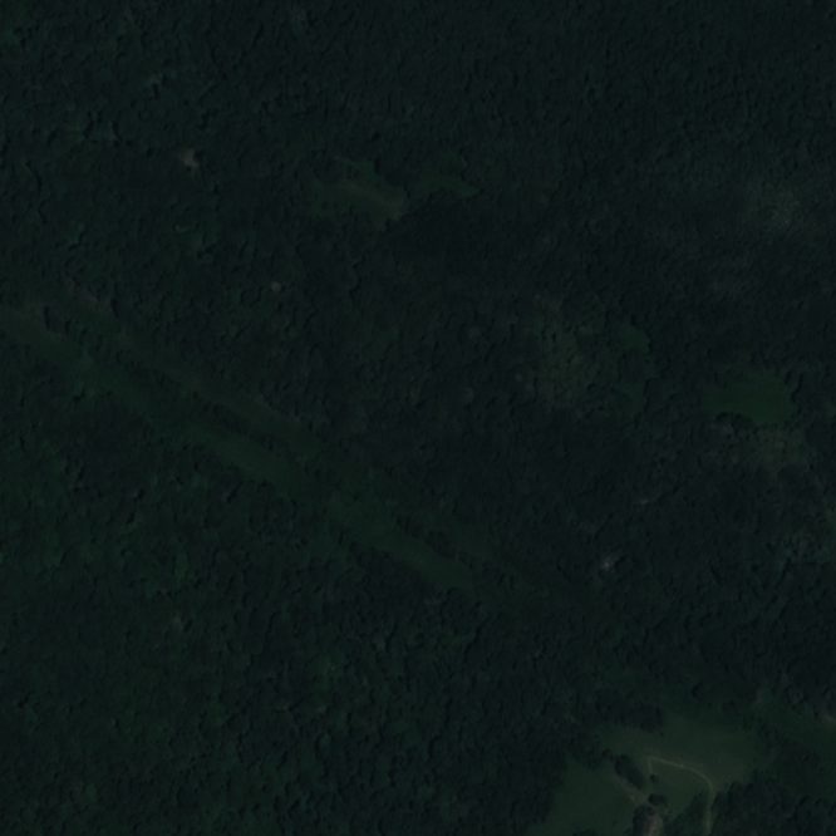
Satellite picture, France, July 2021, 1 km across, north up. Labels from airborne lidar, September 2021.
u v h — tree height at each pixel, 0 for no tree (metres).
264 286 16
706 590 28
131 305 6
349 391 28
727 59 20
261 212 32
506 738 30
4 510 24
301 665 33
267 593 25
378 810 23
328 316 27
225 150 30
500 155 17
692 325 25
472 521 19
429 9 22
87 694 35
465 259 23
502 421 30
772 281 16
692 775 0
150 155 8
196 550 20
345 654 29
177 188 29
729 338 24
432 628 18
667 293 18
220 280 21
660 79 27
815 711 24
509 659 25
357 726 29
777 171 13
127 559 26
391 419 27
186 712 19
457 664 28
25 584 27
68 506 27
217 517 26
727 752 0
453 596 23
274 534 25
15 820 8
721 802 16
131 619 27
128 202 25
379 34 21
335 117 29
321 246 25
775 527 31
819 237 10
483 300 28
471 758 23
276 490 24
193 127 31
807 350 26
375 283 31
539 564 9
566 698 24
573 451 29
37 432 22
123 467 27
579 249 29
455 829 11
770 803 24
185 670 17
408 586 23
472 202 19
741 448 26
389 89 19
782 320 25
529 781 20
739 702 6
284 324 27
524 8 25
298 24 27
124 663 29
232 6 38
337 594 26
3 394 24
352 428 27
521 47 26
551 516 28
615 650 12
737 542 31
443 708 14
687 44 20
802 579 31
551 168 18
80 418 33
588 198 17
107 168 34
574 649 18
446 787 31
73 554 27
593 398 24
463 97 24
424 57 20
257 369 26
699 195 8
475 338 28
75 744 25
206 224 27
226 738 29
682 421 21
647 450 24
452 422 26
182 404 7
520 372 31
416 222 22
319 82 21
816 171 10
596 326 11
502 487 26
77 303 6
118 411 29
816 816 31
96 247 28
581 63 23
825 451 25
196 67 29
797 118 20
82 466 24
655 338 23
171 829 15
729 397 0
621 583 20
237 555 27
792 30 29
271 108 26
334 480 19
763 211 8
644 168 9
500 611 7
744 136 16
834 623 28
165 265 25
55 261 23
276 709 33
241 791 8
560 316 24
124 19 32
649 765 0
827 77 20
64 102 21
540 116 19
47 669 31
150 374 22
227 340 30
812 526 24
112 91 34
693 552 26
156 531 25
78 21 26
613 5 24
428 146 18
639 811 9
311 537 30
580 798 0
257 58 22
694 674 11
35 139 33
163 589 24
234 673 22
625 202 25
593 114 22
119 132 29
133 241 29
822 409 25
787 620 24
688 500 24
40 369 27
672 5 31
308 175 15
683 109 25
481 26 23
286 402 20
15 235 31
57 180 38
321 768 11
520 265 22
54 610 31
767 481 25
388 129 17
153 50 23
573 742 16
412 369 29
